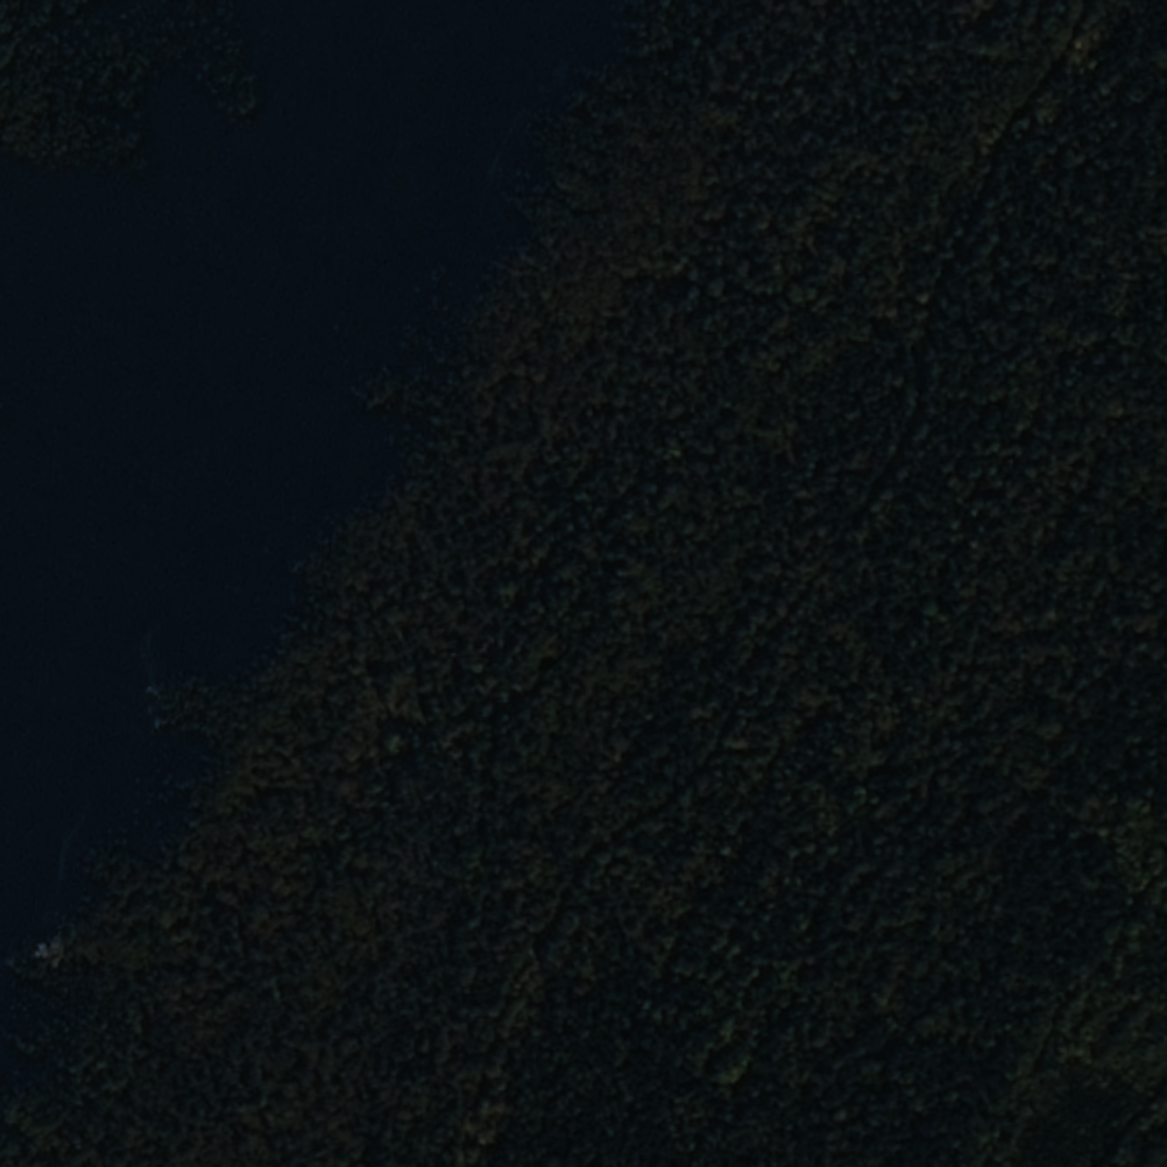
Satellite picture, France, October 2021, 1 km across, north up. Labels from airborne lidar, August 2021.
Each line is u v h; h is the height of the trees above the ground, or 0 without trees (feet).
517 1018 59
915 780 58
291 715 31
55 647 71
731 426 46
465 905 31
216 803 49
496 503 50
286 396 68
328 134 90
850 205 38
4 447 88
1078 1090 24
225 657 60
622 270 79
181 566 61
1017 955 81
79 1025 29
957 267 50
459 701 67
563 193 43
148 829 44
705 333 50
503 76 70
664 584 55
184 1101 82
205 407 95
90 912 21
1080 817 60
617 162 62
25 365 102
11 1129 32
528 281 52
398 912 28
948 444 67
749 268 32
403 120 70
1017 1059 51
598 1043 52
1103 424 62
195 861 51
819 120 36
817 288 46
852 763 75
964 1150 83
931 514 62
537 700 52
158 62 83
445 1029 75
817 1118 57
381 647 77
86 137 85
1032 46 50
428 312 50
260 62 87
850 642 52
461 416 66
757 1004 67
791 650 66
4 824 92
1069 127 76
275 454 61
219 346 67
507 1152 53
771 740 55
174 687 28
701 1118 65
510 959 40
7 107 94
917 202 50
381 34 73
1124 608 41
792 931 66
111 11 72
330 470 47
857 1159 47
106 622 64
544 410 48
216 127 66
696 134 70
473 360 43
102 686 60
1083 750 80
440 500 66
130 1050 40
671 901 48
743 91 61
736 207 93
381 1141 48
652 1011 65
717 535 39
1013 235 71
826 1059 28
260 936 19
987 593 62
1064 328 50
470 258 41
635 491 28
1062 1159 22
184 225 73
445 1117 39
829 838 57
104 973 30
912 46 19
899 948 79
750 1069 50
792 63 72
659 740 73
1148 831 32
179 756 56
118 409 83
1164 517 61
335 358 55
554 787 54
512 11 60
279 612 55
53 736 48
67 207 65
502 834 25
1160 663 61
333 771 34
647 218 77
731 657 92
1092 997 26
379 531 52
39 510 103
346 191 86
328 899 43
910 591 57
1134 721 78
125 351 103
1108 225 33
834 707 58
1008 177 35
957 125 59
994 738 65
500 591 54
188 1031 38
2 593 71
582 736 53
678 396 45
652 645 48
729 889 60
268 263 101
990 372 49
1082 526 58
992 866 28
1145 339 57
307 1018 52
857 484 30
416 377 68
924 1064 77
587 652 55
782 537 52
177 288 60
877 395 27
